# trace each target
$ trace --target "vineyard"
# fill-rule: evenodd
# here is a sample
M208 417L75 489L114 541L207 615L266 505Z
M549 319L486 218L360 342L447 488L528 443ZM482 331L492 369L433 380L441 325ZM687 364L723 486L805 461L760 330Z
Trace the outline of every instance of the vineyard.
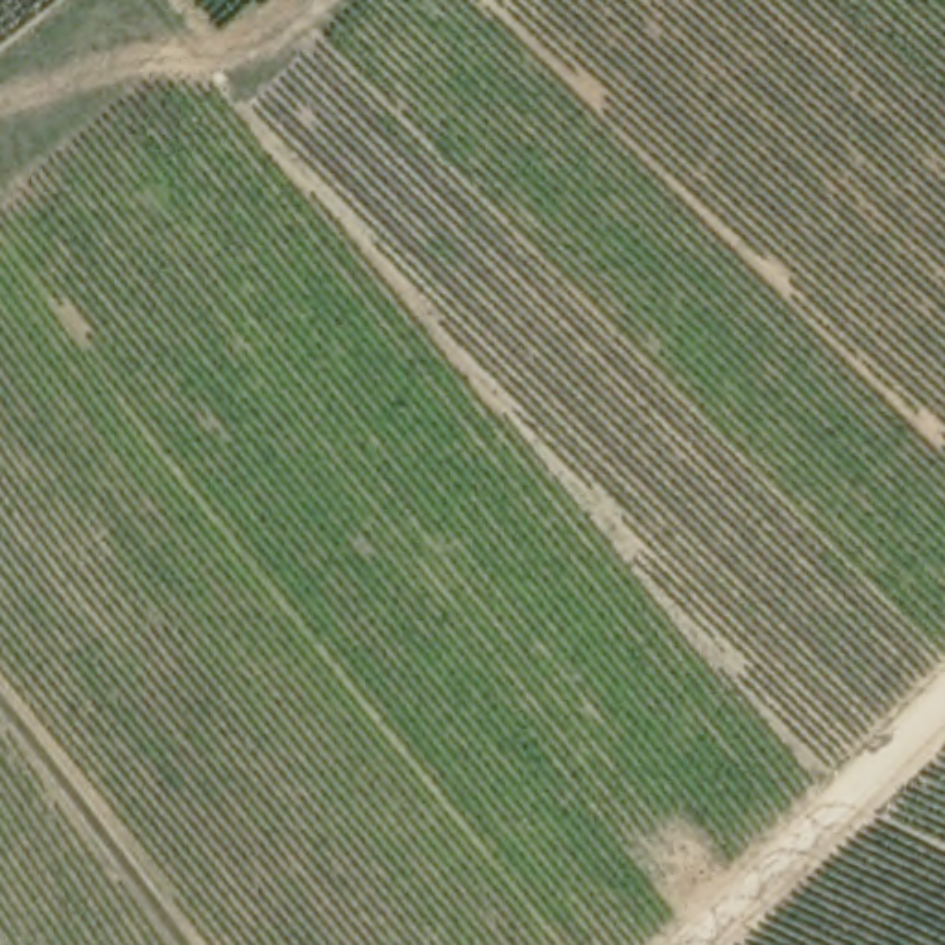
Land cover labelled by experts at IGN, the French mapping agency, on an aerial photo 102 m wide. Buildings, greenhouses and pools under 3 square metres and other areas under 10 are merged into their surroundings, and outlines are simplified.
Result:
M746 845L764 842L768 831L794 808L794 801L801 801L812 786L831 786L864 753L879 753L882 746L890 746L893 716L901 712L893 705L904 694L912 694L915 679L923 679L945 661L945 0L343 0L321 22L314 52L284 48L273 59L236 66L229 81L218 89L181 78L129 78L118 85L63 96L48 107L0 118L0 945L646 945L664 930L664 923L672 923L672 915L679 915L694 901L698 886L716 882L716 875L727 864L735 864L746 853Z
M26 74L52 74L70 59L85 59L96 52L118 52L126 44L155 44L177 37L185 30L185 18L166 0L0 0L0 85Z
M945 945L945 749L934 764L915 772L908 786L901 786L886 805L879 805L875 823L853 834L742 945Z
M214 26L229 26L240 11L266 0L196 0Z

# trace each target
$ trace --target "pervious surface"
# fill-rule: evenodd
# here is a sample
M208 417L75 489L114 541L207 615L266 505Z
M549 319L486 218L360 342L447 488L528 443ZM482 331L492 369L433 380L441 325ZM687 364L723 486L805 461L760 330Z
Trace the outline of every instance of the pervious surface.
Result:
M166 0L185 18L185 30L177 37L155 44L126 44L118 52L96 52L85 59L70 59L52 74L26 74L0 85L0 118L48 107L63 96L118 85L129 78L181 78L218 89L229 81L236 66L273 59L284 48L314 52L321 22L343 0L266 0L240 11L229 26L214 26L196 0Z
M890 746L882 746L879 753L864 753L831 786L812 786L801 801L794 801L794 808L768 831L764 842L746 845L746 853L735 864L727 864L716 875L716 882L698 886L694 901L679 915L672 915L672 923L664 923L664 930L646 945L742 945L853 834L875 823L879 805L886 805L901 786L908 786L915 772L934 764L945 749L945 661L923 679L915 679L912 694L904 694L893 705L901 712L893 716Z

